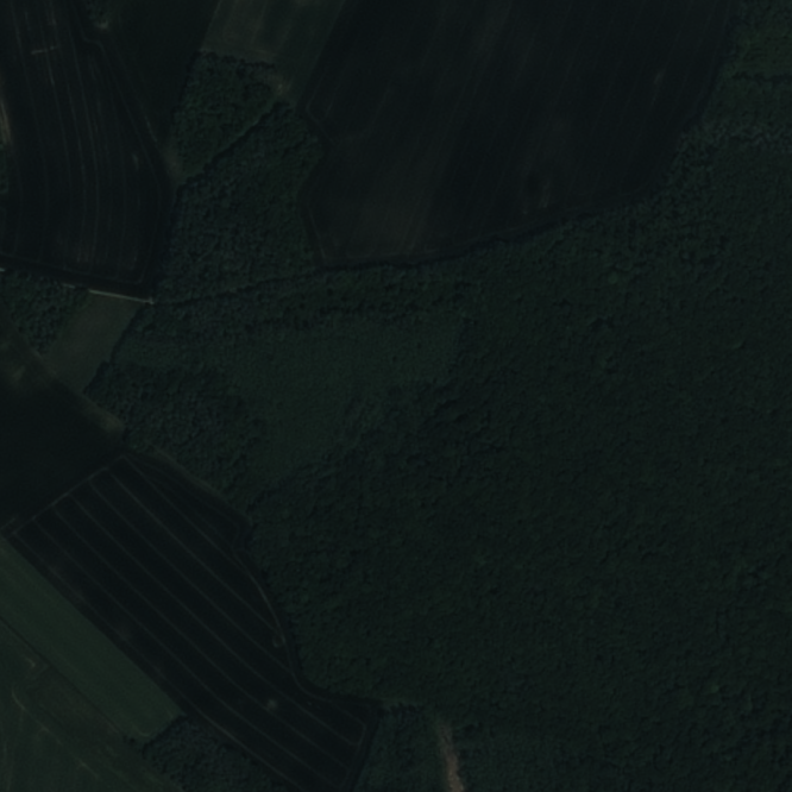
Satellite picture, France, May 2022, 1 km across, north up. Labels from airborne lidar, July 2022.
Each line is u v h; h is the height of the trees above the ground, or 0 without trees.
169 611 0
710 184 20
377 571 25
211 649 0
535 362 23
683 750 19
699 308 28
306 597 21
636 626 21
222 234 22
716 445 25
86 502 0
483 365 30
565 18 0
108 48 0
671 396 27
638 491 21
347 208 0
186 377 21
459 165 0
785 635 24
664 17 0
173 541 0
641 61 0
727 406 21
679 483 26
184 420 16
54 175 0
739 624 26
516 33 0
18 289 19
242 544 0
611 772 25
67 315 12
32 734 0
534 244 23
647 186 0
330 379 18
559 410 23
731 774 17
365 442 25
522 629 21
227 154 11
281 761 0
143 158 0
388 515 30
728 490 22
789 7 24
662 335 29
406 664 20
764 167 22
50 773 0
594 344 25
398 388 22
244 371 22
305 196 0
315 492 23
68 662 0
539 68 0
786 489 20
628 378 27
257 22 0
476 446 30
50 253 0
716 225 20
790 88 22
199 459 13
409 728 23
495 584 23
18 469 0
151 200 0
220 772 24
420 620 20
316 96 0
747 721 22
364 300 9
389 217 0
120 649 0
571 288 28
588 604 25
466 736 22
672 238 17
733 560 22
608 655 20
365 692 19
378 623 19
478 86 0
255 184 19
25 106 0
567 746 19
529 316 27
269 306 21
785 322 24
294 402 16
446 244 0
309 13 0
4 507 0
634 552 23
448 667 20
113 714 0
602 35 0
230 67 19
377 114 0
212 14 0
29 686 0
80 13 0
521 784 25
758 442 21
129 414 8
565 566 22
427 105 0
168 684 0
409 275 21
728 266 25
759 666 26
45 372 0
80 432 0
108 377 17
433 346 23
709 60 0
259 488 10
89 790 0
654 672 21
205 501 0
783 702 21
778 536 19
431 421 27
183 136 15
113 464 0
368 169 0
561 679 21
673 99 0
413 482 31
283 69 0
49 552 0
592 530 24
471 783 26
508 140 0
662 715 20
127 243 0
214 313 17
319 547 20
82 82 0
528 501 31
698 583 19
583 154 0
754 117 18
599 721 19
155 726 0
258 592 0
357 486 29
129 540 0
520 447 33
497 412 26
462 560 29
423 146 0
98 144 0
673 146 0
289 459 16
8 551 0
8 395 0
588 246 21
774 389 20
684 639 19
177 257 22
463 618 22
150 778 0
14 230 0
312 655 20
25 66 0
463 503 31
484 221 0
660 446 24
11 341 0
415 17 0
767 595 25
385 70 0
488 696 17
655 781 16
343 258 0
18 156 0
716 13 0
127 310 0
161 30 0
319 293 5
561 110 0
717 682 24
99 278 0
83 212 0
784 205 21
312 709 0
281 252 16
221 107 20
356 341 16
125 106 0
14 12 0
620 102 0
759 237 22
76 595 0
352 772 0
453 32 0
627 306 26
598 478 28
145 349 19
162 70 0
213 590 0
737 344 27
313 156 18
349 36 0
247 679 0
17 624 0
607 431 26
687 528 24
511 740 25
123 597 0
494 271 21
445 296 10
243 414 24
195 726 20
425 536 29
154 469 0
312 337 19
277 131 16
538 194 0
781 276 27
